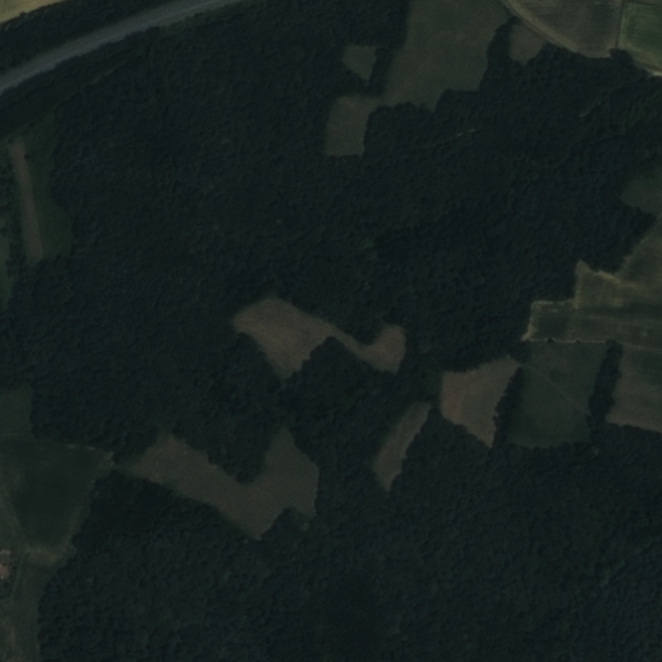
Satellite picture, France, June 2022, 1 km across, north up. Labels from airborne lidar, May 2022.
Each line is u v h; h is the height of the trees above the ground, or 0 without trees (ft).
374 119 41
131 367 59
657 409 0
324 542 57
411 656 59
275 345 0
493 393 0
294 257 70
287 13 53
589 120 71
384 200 73
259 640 56
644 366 0
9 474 0
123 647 89
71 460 0
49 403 74
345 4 49
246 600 67
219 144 38
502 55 58
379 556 45
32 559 0
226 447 60
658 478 79
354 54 0
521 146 63
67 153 31
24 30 66
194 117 53
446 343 69
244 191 53
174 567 42
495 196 75
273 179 79
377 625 61
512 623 79
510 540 62
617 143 66
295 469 0
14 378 62
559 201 88
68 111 37
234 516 0
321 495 59
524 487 76
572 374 0
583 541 79
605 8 0
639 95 66
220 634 57
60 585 68
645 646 32
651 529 66
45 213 0
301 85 25
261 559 54
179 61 28
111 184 41
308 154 53
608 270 70
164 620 57
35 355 54
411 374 61
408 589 62
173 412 62
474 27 0
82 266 81
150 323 49
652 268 0
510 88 56
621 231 94
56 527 0
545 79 64
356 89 56
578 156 74
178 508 46
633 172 74
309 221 65
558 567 76
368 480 68
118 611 26
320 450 84
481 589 32
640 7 0
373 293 62
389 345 0
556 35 0
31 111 46
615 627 36
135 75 68
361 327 70
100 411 63
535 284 28
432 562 63
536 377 0
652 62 0
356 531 60
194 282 52
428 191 84
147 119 67
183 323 69
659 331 0
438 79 0
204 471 0
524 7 0
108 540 58
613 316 0
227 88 29
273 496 0
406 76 0
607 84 50
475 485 28
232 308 69
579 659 70
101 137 45
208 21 23
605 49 0
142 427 78
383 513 91
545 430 0
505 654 73
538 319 0
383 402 57
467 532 59
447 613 42
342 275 97
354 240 73
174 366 63
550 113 50
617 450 87
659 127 75
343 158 26
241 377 87
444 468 54
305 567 83
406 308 66
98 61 28
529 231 95
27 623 0
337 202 65
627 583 42
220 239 50
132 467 0
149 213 40
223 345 70
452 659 73
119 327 55
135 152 40
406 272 53
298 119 40
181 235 55
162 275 49
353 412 53
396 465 0
